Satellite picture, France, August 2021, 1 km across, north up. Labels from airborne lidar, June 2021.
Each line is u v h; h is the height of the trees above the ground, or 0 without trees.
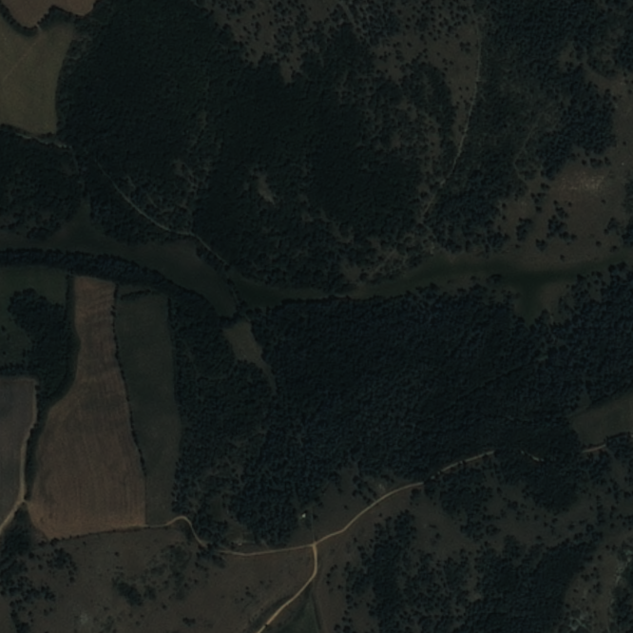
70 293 7
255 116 13
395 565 9
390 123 6
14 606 8
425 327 15
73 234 0
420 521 0
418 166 7
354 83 8
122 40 12
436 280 0
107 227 8
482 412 11
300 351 14
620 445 8
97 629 0
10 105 0
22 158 8
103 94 12
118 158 8
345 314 12
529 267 0
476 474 9
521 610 8
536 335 15
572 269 0
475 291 8
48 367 8
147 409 0
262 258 12
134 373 0
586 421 0
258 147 12
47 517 0
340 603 0
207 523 11
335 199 12
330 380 9
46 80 0
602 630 0
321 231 12
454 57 0
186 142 8
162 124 9
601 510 6
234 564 0
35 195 6
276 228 10
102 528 0
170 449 0
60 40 0
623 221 0
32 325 7
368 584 7
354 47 10
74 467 0
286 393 7
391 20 9
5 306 0
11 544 9
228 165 13
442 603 7
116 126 12
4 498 0
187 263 0
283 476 13
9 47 0
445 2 7
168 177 10
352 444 7
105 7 6
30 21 0
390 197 13
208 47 9
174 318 13
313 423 11
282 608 0
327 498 0
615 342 11
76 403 0
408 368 9
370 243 10
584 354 9
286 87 10
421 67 7
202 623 0
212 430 11
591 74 0
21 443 0
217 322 15
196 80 8
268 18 0
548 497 10
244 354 0
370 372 12
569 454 11
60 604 0
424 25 7
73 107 12
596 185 0
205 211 16
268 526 13
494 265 0
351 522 0
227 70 9
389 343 11
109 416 0
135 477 0
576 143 11
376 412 9
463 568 8
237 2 8
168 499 0
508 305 7
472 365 9
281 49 8
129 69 11
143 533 0
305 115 9
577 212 0
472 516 10
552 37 10
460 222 15
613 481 7
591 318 12
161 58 11
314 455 10
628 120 0
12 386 0
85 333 0
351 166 12
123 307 0
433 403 10
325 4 0
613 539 0
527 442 10
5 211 7
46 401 6
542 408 7
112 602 0
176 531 0
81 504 0
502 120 9
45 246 0
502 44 8
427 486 8
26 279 0
